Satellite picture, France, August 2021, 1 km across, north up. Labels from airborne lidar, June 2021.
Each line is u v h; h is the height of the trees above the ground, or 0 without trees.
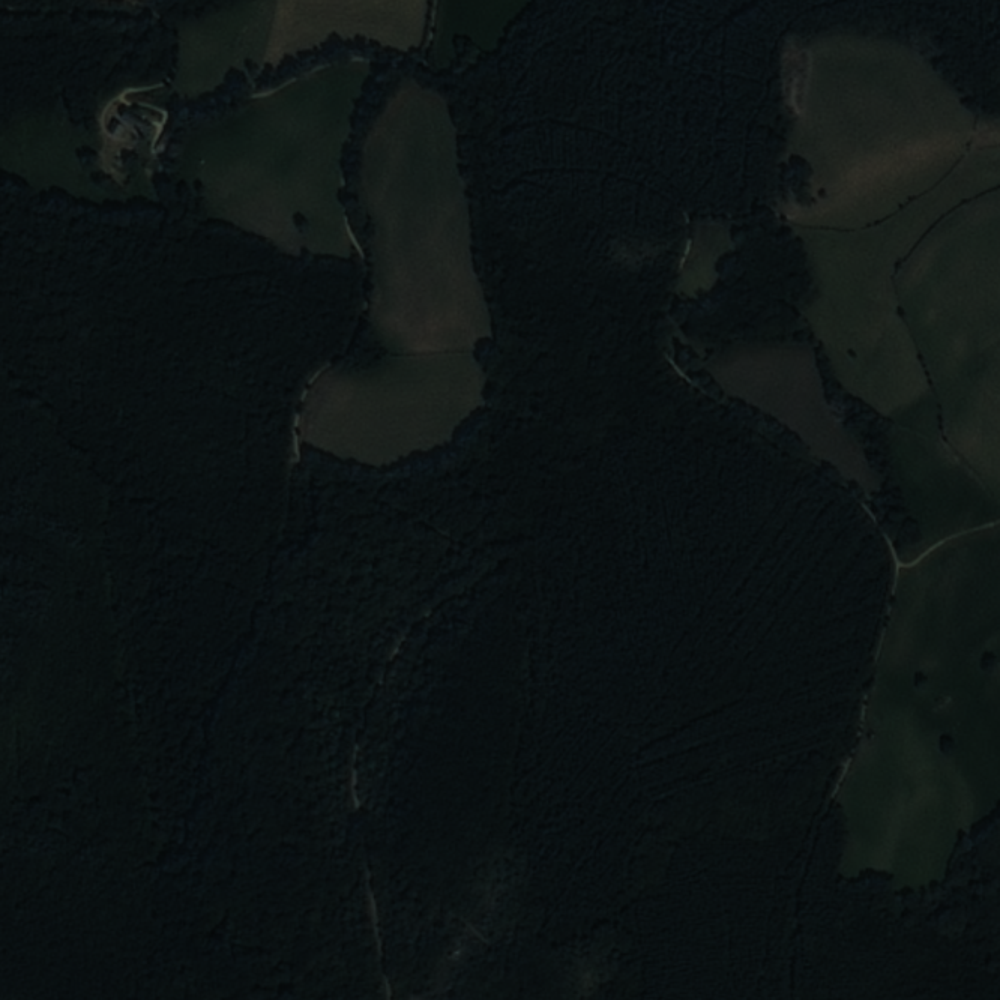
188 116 16
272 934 24
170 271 16
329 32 0
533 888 9
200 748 8
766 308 23
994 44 24
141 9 10
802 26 11
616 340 14
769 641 9
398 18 0
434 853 18
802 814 15
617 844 13
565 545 20
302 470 10
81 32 22
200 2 20
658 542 18
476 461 21
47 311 8
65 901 29
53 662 22
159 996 35
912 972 10
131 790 23
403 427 0
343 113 0
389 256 0
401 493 18
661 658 11
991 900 19
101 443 8
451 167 0
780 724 10
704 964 17
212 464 6
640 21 23
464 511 20
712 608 11
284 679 14
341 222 0
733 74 17
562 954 9
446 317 0
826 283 0
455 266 0
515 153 19
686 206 13
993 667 17
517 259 13
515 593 20
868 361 0
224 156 0
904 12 15
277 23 0
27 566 25
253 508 10
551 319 13
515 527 12
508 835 15
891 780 0
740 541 14
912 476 0
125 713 23
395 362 0
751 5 8
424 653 9
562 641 18
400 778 12
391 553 11
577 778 12
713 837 16
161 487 11
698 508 15
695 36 17
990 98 16
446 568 7
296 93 0
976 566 0
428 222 0
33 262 12
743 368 0
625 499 17
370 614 9
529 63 17
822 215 0
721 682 8
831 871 15
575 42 19
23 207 14
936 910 6
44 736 19
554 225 9
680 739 11
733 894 15
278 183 0
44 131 0
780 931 16
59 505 23
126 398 8
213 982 32
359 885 6
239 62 0
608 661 14
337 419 0
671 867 14
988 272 0
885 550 12
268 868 30
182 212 22
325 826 8
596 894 13
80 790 30
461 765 23
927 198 0
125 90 0
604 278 9
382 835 10
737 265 19
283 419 8
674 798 12
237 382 9
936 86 0
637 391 15
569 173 17
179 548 14
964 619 0
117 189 16
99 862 25
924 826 0
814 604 12
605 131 13
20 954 25
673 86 22
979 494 0
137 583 12
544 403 12
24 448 22
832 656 16
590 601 17
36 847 30
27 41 19
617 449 15
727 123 18
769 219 17
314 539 19
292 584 18
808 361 0
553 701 13
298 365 9
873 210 0
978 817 0
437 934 7
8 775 19
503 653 24
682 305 18
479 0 0
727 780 16
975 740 0
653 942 14
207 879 29
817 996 18
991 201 0
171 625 9
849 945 17
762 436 13
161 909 29
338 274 10
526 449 14
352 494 21
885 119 0
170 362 10
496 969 10
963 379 0
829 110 0
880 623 15
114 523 15
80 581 20
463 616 14
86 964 26
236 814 25
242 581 10
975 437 0
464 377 0
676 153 17
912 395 0
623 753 8
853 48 0
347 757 7
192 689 11
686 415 13
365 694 8
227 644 10
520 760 15
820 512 10
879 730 0
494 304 17
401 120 0
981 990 17
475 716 21
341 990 13
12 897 23
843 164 0
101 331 12
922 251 0
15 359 11
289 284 11
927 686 12
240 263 14
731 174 20
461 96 17
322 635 7
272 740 21
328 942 16
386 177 0
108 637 23
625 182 15
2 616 24
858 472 0
